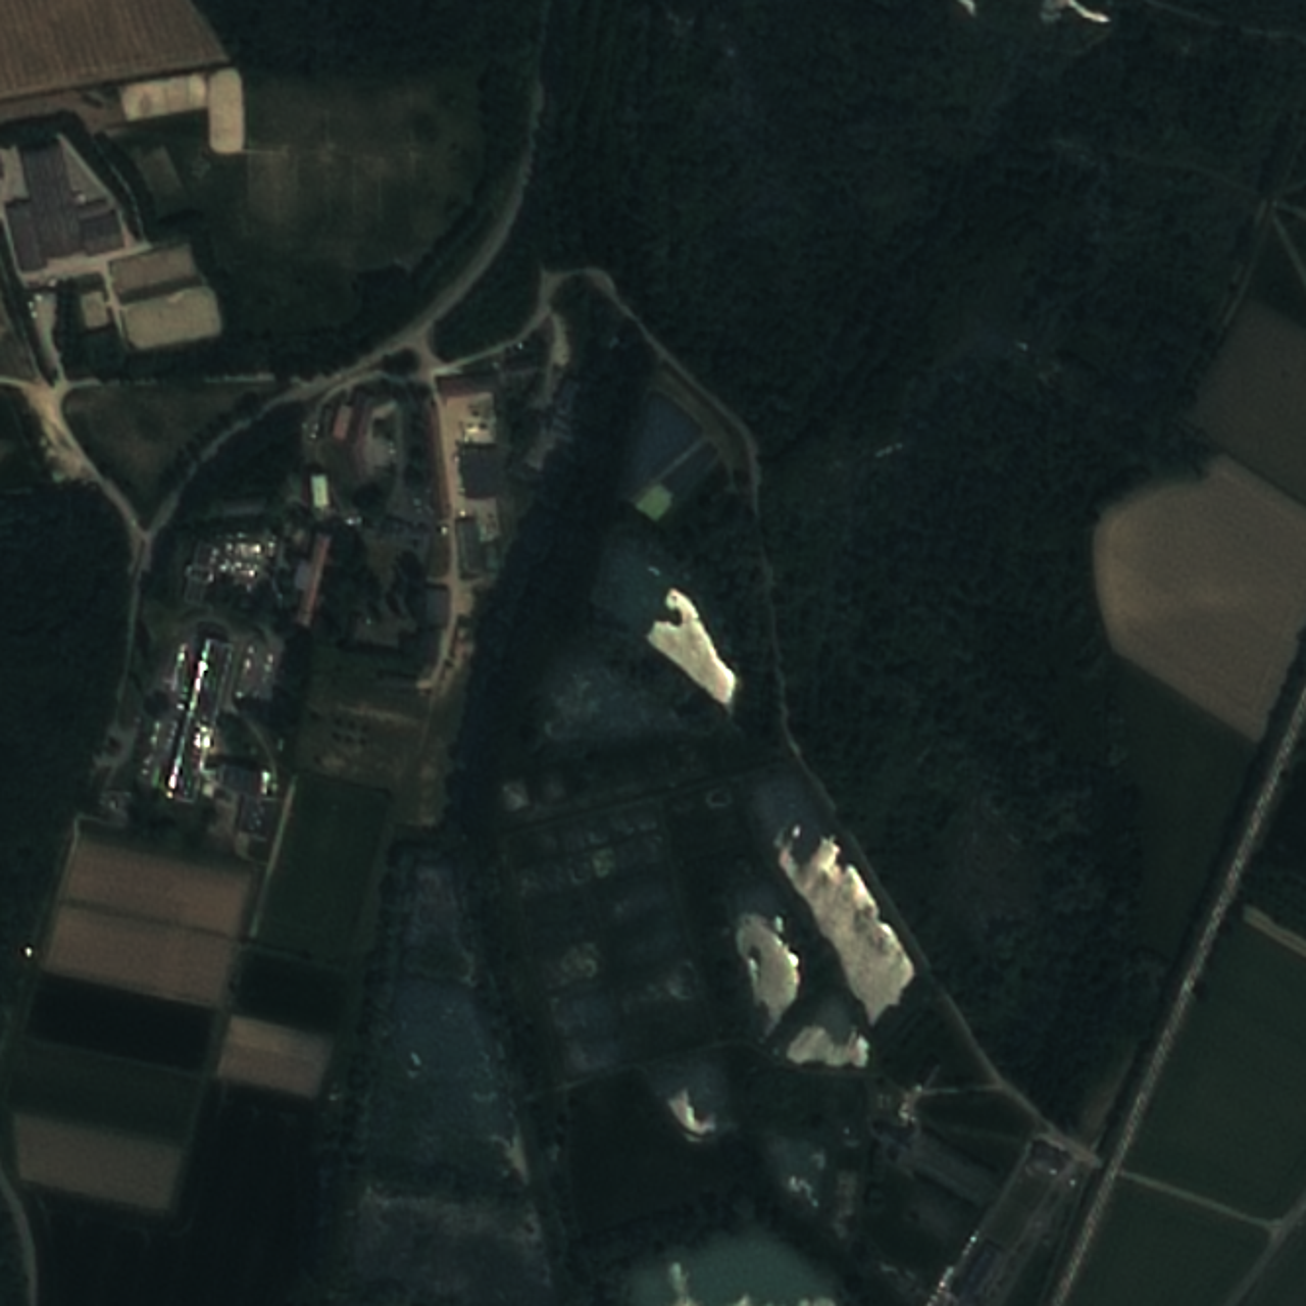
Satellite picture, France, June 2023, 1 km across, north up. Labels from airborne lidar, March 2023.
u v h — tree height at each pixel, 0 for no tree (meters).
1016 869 0
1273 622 0
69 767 16
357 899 0
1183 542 0
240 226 0
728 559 15
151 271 0
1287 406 0
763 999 0
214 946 0
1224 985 0
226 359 12
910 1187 0
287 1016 0
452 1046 0
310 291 0
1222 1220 0
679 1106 0
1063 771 8
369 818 0
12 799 19
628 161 12
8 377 0
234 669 0
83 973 0
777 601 14
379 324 11
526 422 6
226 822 0
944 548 19
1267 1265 0
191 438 0
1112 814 16
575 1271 9
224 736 12
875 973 0
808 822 0
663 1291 0
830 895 0
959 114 11
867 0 12
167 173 0
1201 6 6
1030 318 10
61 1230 0
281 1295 0
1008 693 13
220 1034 0
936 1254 0
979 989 8
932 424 16
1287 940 0
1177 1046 0
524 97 14
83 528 20
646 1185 0
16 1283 17
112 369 8
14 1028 0
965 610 19
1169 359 26
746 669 15
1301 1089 0
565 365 0
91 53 0
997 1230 0
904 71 10
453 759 12
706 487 0
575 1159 0
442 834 8
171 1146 0
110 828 0
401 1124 0
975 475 18
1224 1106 0
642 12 21
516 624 38
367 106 0
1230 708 0
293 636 13
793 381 14
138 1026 0
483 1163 0
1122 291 12
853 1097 0
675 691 18
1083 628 0
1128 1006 23
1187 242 18
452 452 0
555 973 0
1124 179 8
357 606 0
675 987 0
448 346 11
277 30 16
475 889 11
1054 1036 21
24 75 0
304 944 0
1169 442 28
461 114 0
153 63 0
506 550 0
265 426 11
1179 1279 0
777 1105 7
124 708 0
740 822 0
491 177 8
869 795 6
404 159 0
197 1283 0
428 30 13
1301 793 0
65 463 0
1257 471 0
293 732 0
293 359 13
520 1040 13
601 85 5
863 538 16
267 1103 0
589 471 30
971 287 6
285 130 0
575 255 16
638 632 0
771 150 17
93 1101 0
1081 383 19
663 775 0
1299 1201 0
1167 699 0
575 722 0
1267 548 0
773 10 17
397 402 10
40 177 0
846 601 15
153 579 6
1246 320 0
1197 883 0
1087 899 16
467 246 6
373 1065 6
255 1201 0
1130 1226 0
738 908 0
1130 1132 0
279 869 0
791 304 6
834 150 17
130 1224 0
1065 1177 0
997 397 12
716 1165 0
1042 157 11
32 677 19
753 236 6
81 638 22
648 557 0
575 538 41
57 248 0
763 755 0
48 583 22
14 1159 0
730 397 20
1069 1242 0
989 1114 0
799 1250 7
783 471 8
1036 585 8
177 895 0
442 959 6
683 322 22
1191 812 0
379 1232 0
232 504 0
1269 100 6
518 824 11
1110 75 12
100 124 0
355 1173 8
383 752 0
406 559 10
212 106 0
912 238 15
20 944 15
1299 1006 0
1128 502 0
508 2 12
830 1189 0
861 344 13
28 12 0
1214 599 0
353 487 0
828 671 13
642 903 0
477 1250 0
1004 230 15
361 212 0
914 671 10
